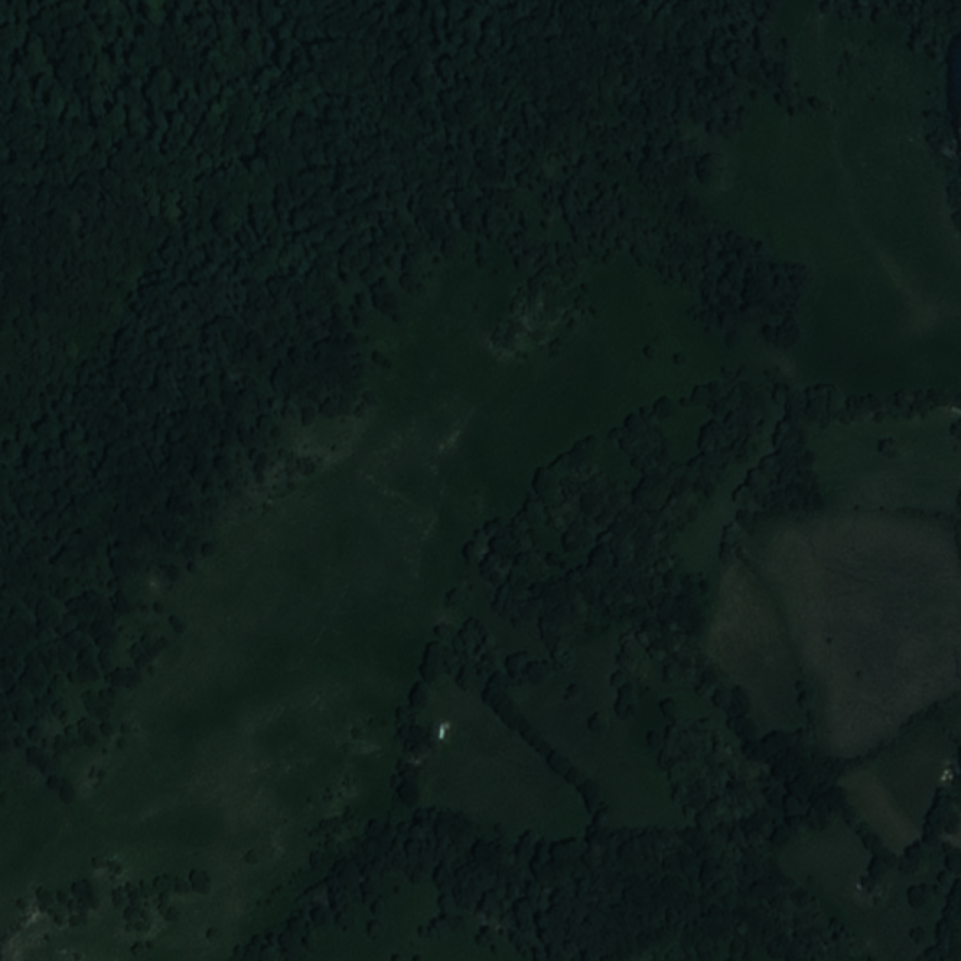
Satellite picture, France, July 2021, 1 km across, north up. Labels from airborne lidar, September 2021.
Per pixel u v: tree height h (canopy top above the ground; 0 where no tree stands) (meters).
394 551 0
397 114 9
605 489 23
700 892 9
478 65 25
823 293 0
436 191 19
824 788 20
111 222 21
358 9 31
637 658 20
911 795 0
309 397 15
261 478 11
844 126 0
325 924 24
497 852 23
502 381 0
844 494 0
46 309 17
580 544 24
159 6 33
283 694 0
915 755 0
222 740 0
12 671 16
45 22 36
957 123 9
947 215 0
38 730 11
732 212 0
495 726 0
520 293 8
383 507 0
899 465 0
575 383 0
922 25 17
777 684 0
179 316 19
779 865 19
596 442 21
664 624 26
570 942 19
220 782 0
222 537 0
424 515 0
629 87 24
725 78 19
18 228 31
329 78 29
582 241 18
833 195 0
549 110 19
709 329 9
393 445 0
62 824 0
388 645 0
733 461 23
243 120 30
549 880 11
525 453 0
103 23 38
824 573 0
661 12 32
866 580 0
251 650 0
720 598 0
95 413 25
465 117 24
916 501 0
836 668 0
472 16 27
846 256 0
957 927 20
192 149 7
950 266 0
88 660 19
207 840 0
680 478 22
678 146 14
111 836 0
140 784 0
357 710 0
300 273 21
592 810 17
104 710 16
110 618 15
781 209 0
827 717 0
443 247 11
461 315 0
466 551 14
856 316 0
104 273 15
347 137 16
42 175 26
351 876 27
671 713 23
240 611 0
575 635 19
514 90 25
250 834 0
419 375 0
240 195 36
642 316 0
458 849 16
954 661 0
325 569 0
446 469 0
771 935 25
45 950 0
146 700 0
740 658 0
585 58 17
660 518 24
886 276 0
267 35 19
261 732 0
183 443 19
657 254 13
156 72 10
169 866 0
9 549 16
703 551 0
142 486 23
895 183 0
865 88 0
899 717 0
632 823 0
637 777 0
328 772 0
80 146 32
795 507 21
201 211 32
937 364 0
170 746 0
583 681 0
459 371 0
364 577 0
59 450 11
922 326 0
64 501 20
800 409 16
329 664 0
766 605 0
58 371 17
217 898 0
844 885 0
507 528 23
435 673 22
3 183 23
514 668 18
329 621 0
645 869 10
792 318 11
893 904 0
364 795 0
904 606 0
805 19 0
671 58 29
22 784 0
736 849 22
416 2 13
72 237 28
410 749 18
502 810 0
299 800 0
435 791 0
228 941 0
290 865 0
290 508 0
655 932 18
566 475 23
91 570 8
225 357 15
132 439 16
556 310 9
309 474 13
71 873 0
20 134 32
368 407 12
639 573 24
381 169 19
